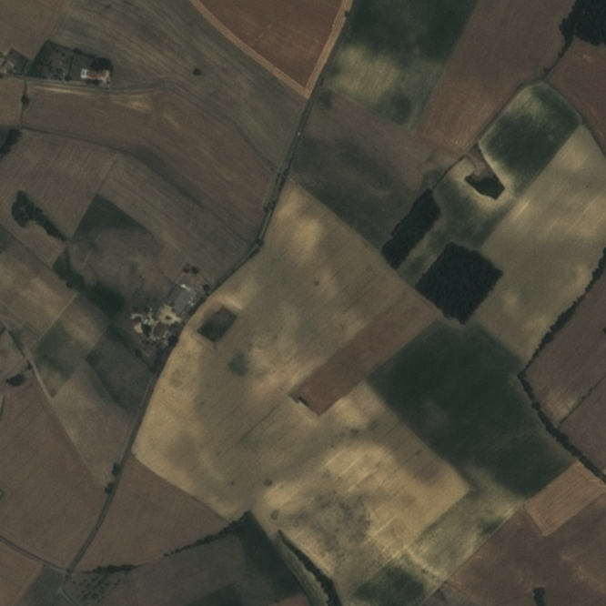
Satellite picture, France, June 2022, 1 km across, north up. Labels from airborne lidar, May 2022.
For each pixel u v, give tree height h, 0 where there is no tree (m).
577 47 0
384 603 0
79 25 0
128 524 0
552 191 0
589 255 0
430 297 11
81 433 0
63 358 0
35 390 0
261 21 0
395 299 0
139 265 0
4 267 0
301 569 0
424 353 0
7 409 0
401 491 0
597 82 0
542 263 0
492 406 0
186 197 0
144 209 0
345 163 0
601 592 0
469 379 0
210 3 0
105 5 0
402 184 0
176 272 0
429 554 0
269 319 0
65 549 0
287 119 0
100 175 0
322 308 0
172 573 0
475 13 0
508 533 0
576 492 0
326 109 0
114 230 0
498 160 0
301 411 0
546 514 0
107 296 0
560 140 0
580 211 0
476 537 0
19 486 0
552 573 0
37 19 0
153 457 0
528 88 0
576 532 0
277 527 0
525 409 0
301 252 0
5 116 0
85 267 0
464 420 0
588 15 8
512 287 0
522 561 0
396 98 0
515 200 0
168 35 0
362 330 0
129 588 0
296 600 0
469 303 12
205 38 0
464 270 17
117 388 0
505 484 0
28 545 0
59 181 0
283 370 0
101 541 0
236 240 0
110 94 0
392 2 0
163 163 0
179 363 0
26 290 0
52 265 0
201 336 0
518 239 0
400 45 0
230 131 0
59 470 0
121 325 0
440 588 0
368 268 0
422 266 0
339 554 0
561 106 0
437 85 0
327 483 0
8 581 0
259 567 0
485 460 0
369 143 0
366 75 0
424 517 0
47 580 0
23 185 0
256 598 0
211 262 0
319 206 0
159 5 0
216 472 0
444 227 0
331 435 0
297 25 0
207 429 0
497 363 0
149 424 0
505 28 0
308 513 0
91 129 0
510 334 0
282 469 0
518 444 0
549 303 0
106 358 0
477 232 0
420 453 0
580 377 0
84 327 0
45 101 0
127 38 0
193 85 0
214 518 0
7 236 0
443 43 0
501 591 0
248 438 0
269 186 0
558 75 0
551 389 0
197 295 0
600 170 0
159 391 0
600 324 0
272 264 0
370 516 0
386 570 0
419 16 0
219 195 0
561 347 0
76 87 0
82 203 0
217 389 0
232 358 0
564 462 0
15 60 0
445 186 0
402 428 0
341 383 0
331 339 0
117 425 0
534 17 0
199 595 0
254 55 0
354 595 0
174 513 0
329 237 0
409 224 14
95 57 9
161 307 0
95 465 0
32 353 0
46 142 0
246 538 0
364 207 0
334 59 0
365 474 0
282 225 0
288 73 0
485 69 0
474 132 0
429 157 0
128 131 0
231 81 0
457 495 0
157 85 0
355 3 0
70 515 0
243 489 0
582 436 0
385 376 0
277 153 0
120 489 0
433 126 0
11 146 10
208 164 0
